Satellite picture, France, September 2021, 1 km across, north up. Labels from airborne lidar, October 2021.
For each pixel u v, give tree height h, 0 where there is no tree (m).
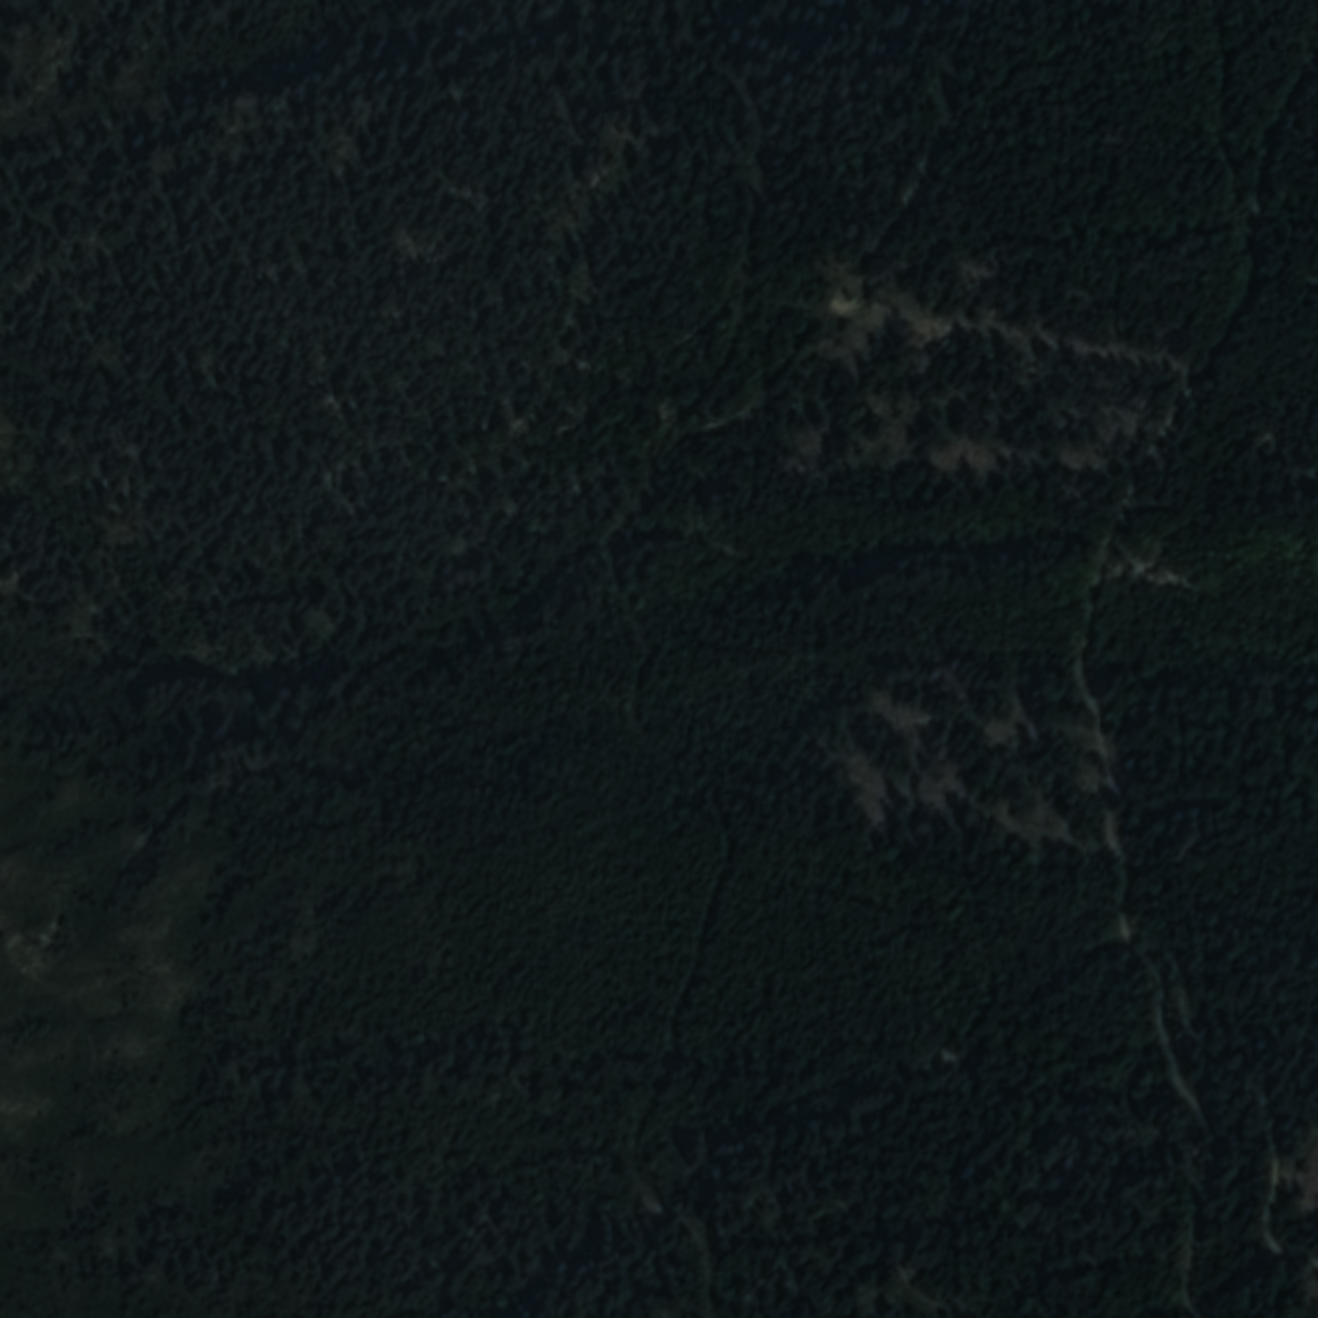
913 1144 17
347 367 10
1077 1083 14
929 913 15
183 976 0
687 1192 9
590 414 5
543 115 30
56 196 19
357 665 7
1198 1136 8
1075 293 21
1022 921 18
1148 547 19
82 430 26
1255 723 30
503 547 10
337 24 5
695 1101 8
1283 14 28
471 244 34
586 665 8
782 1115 8
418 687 8
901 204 9
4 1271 0
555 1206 7
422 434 12
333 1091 11
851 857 18
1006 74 17
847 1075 9
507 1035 8
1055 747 26
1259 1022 16
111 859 0
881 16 7
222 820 10
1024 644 16
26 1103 0
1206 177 30
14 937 0
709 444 15
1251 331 28
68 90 17
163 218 18
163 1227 14
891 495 10
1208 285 21
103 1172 0
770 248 13
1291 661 18
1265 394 18
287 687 9
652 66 5
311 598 13
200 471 12
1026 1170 11
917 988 10
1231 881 20
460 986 12
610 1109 12
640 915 16
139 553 8
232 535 31
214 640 27
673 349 7
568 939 14
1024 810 21
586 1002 11
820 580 22
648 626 10
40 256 17
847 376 13
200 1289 21
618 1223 11
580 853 13
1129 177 28
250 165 10
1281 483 25
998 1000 14
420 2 7
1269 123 17
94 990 0
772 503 25
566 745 11
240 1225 9
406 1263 31
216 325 23
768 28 11
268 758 20
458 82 19
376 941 11
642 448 13
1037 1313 6
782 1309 10
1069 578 22
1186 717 23
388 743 9
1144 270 28
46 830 0
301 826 10
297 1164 12
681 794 11
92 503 24
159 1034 0
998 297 26
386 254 26
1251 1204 18
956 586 27
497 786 8
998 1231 7
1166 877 24
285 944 7
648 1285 23
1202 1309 9
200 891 0
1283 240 30
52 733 7
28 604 10
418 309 18
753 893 16
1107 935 19
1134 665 6
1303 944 17
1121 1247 17
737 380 9
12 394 8
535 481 17
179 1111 7
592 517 21
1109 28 31
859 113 30
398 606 17
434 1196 18
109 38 22
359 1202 19
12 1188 0
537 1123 10
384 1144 10
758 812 18
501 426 27
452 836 9
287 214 25
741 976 9
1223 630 23
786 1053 11
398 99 17
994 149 22
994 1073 17
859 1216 26
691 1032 16
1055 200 21
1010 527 10
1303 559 22
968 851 18
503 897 14
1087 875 15
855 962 20
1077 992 19
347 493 17
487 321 27
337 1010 14
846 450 16
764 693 18
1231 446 17
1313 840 21
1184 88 28
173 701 18
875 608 20
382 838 12
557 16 7
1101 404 28
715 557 14
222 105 18
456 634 10
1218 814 28
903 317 0
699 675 14
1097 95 26
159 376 24
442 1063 27
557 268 7
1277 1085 27
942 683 26
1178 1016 19
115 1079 6
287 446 26
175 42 22
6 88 17
